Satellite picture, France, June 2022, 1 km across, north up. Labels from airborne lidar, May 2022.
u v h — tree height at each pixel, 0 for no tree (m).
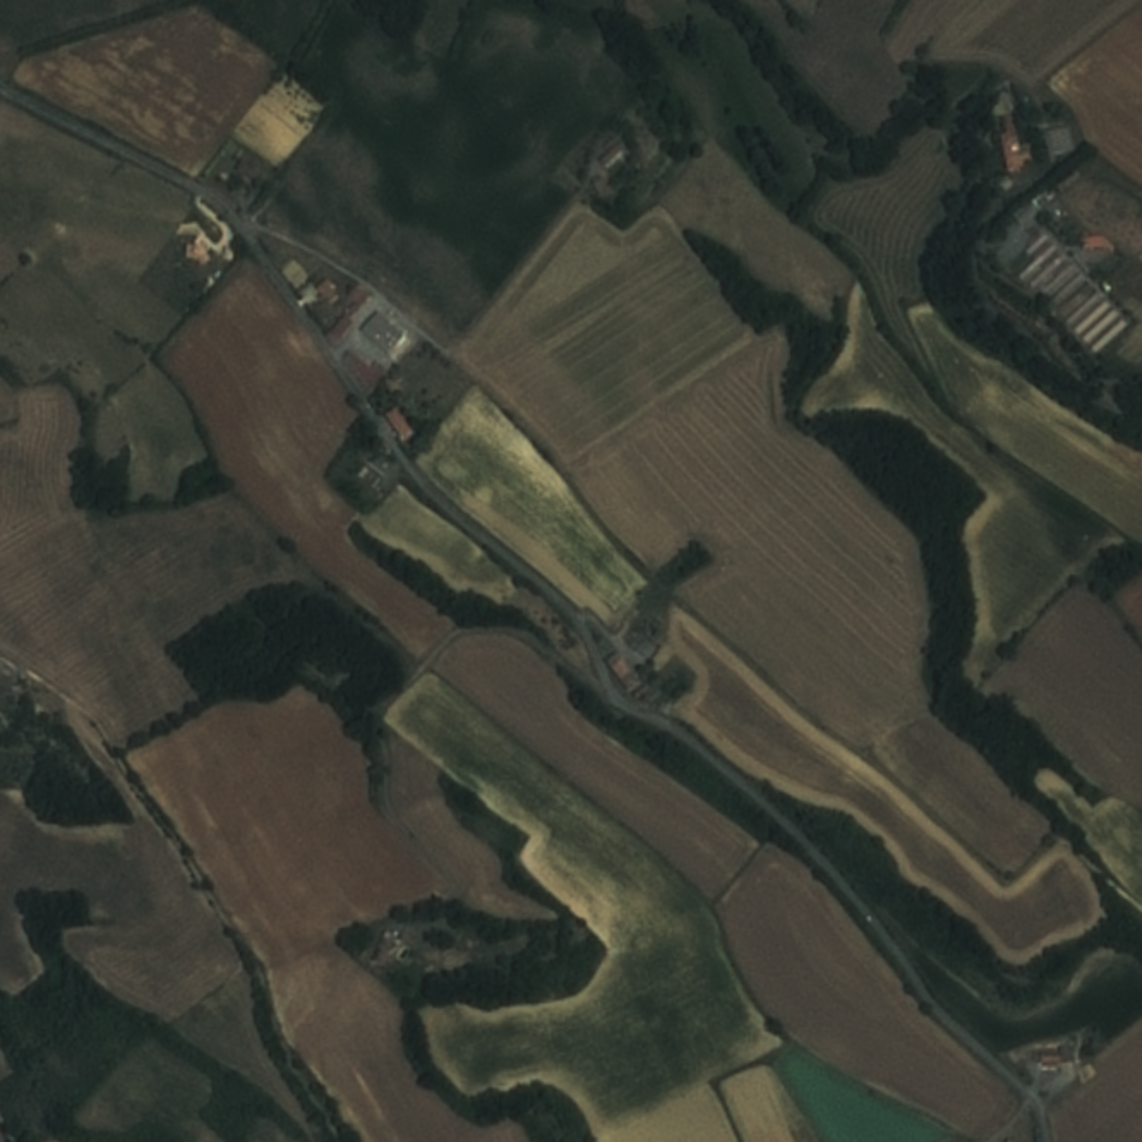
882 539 0
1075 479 0
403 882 0
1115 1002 0
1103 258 0
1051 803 14
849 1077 0
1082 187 0
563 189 0
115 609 0
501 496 0
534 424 0
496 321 0
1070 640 0
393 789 0
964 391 0
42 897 19
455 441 0
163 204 0
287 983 0
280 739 0
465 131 0
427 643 0
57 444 0
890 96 0
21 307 0
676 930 0
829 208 0
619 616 0
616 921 0
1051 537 0
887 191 0
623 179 8
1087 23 0
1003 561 0
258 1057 0
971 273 17
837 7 0
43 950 13
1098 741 0
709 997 0
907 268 0
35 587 0
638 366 0
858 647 0
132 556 0
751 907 0
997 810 0
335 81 0
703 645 0
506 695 0
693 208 0
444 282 0
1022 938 0
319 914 0
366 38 0
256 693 13
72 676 0
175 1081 0
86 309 0
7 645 0
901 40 0
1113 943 15
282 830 0
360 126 0
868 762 0
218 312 0
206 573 0
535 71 0
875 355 0
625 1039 0
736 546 0
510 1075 0
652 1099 0
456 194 0
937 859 0
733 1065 0
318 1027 0
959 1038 0
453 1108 6
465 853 0
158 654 0
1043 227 10
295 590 11
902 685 0
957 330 14
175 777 0
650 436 0
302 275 0
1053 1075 0
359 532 7
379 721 11
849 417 18
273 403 0
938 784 0
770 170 13
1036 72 0
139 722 0
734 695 0
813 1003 0
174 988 0
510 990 16
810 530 0
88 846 0
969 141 12
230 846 0
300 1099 10
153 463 0
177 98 0
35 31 0
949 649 19
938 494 15
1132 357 0
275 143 0
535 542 0
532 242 0
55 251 0
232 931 11
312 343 0
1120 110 0
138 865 0
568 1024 0
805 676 0
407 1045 9
